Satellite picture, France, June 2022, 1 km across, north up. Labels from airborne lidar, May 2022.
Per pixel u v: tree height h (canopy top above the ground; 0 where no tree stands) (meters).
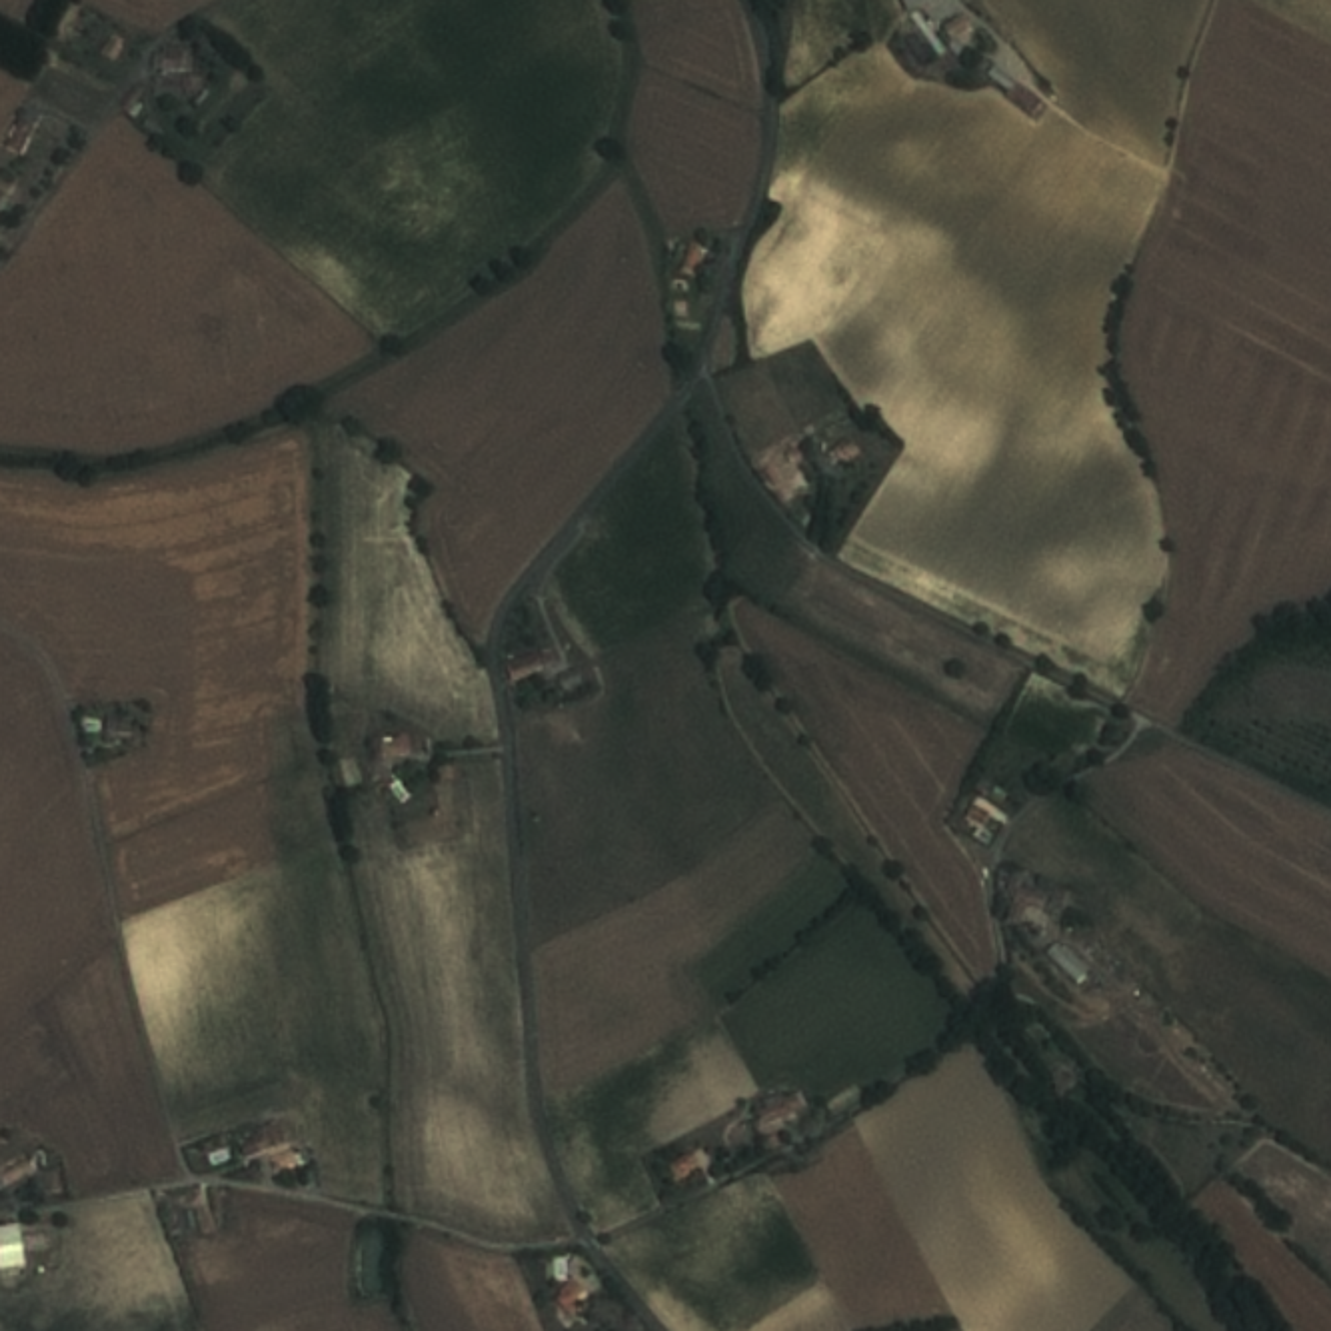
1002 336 0
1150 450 9
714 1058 0
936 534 0
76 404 0
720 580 15
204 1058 0
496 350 0
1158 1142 0
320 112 0
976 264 0
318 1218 0
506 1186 0
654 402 0
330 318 0
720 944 0
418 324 0
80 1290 0
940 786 0
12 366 0
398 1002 0
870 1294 0
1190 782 0
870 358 0
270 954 0
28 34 12
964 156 0
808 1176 0
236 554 0
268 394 0
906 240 0
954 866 0
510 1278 0
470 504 0
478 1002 0
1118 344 8
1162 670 0
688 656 0
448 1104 0
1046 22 0
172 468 0
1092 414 0
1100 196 0
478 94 0
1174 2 0
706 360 0
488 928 0
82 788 0
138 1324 0
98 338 0
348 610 0
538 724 0
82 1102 0
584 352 0
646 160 0
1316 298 0
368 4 0
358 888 0
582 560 0
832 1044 0
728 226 0
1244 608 0
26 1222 12
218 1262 0
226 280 0
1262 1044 0
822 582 0
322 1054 0
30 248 0
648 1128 0
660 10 0
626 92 0
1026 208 0
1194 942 0
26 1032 0
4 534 0
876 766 0
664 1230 0
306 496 0
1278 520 0
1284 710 0
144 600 0
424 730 0
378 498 0
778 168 0
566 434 0
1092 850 0
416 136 0
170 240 0
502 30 0
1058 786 15
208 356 0
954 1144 0
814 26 0
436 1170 0
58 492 0
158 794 0
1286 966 0
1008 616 0
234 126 17
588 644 0
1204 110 0
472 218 0
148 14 0
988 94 0
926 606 0
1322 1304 0
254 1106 0
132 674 0
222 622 0
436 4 0
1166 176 0
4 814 0
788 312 0
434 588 0
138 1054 0
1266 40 0
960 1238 0
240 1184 0
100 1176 0
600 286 0
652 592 0
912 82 0
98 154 0
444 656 0
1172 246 0
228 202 0
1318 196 0
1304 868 0
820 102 0
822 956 0
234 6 0
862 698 0
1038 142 0
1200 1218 14
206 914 0
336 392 0
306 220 0
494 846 0
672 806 0
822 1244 0
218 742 0
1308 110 0
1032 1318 0
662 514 0
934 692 0
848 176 0
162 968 0
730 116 0
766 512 0
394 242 0
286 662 0
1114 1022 0
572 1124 0
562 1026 0
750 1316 0
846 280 0
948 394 0
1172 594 0
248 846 0
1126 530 0
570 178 0
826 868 0
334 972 0
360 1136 0
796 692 0
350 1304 0
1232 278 0
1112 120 0
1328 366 0
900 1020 0
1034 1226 0
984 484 0
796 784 0
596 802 0
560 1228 0
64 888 0
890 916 15
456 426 0
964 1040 19
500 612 0
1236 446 0
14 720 0
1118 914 0
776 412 0
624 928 0
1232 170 0
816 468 7
